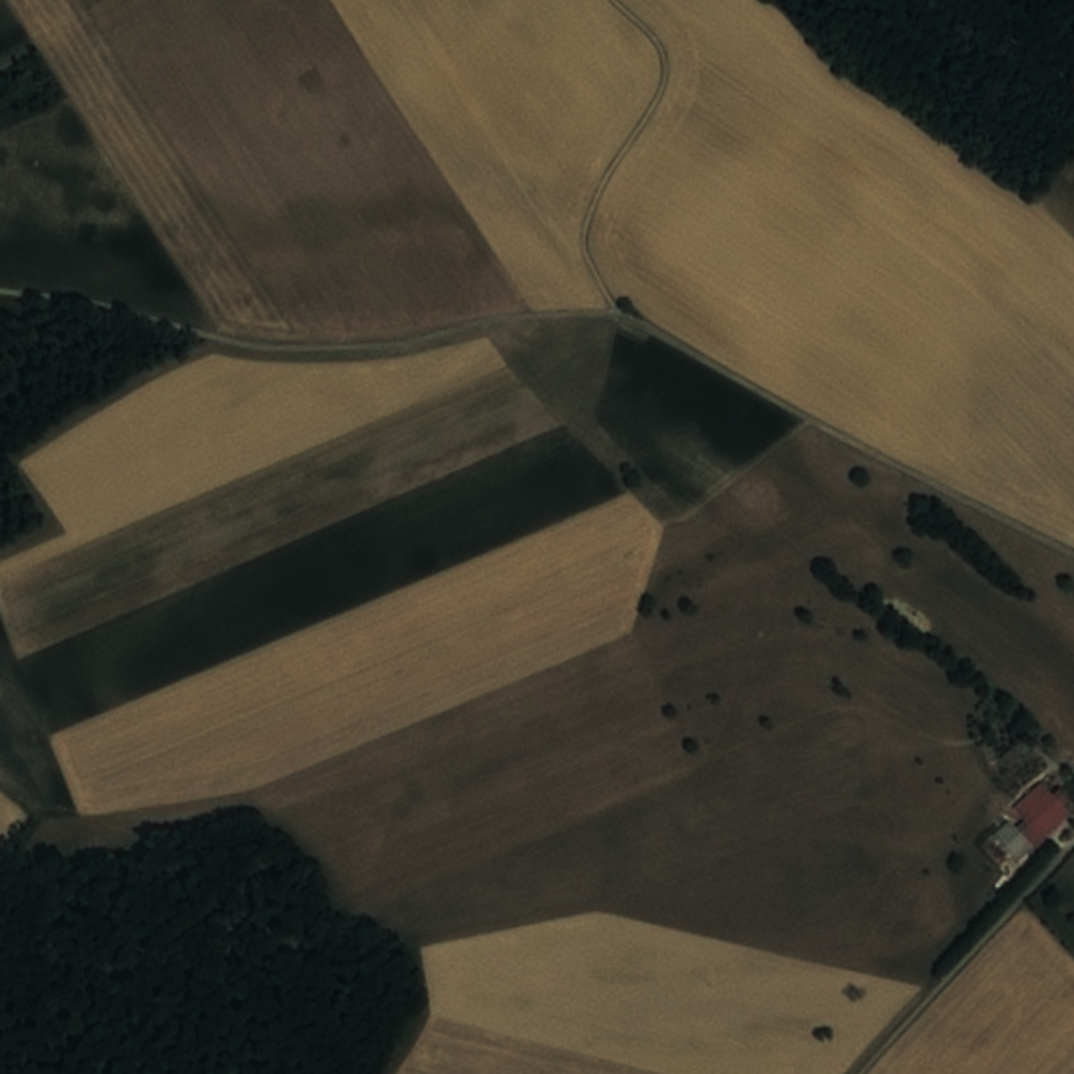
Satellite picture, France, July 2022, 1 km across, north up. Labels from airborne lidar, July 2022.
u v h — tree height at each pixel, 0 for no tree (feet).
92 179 0
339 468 0
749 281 0
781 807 0
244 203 0
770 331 0
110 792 0
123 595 0
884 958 0
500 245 0
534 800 0
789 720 0
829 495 0
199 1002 101
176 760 0
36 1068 96
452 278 0
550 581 0
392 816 0
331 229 0
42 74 30
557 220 0
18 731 0
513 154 0
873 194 0
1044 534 0
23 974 103
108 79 0
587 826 0
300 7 0
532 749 0
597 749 0
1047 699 0
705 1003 0
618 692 0
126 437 0
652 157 0
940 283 0
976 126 47
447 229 0
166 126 0
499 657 0
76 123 0
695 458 0
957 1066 0
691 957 0
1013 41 38
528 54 0
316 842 0
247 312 0
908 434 0
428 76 0
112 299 0
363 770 0
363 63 0
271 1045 110
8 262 0
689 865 0
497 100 0
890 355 0
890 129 0
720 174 0
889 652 0
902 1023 0
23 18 0
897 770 0
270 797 0
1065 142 74
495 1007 0
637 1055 0
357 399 0
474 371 0
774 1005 0
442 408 0
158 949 95
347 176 0
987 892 0
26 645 0
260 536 0
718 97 0
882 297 0
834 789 0
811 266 0
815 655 0
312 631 0
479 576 0
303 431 0
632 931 0
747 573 0
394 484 0
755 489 0
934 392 0
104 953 104
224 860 96
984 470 0
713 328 0
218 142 0
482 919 0
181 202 0
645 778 0
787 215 0
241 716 0
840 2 41
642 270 0
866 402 0
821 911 0
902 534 0
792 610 0
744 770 0
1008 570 45
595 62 0
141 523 0
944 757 0
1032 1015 0
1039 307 0
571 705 0
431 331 0
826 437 0
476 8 0
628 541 0
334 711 0
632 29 0
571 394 0
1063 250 0
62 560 0
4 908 108
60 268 0
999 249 0
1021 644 0
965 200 0
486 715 0
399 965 98
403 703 0
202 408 0
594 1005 0
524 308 0
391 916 0
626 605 0
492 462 0
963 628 0
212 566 0
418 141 0
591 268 0
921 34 83
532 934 0
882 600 44
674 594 0
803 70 0
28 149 0
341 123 0
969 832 0
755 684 0
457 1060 0
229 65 0
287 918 95
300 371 0
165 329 65
